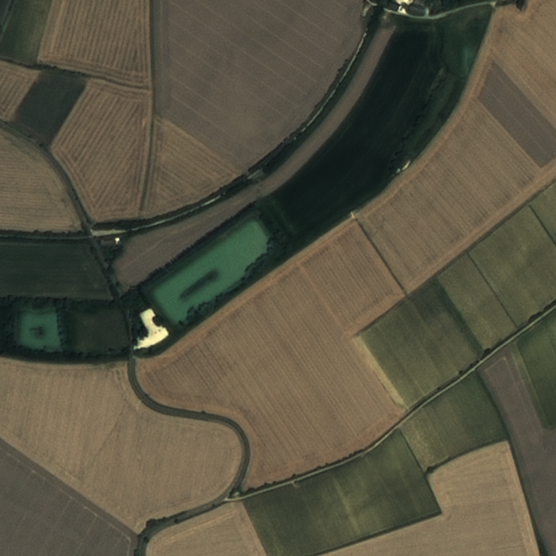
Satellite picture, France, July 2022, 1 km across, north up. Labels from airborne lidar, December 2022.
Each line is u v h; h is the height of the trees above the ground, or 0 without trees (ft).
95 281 0
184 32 0
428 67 0
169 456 0
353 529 0
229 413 0
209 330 0
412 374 0
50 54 0
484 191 0
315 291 0
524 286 0
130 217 0
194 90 0
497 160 0
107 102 0
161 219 24
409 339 0
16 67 0
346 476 0
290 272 0
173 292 0
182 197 0
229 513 0
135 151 0
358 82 0
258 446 0
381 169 0
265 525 0
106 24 0
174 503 0
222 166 0
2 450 0
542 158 0
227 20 0
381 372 0
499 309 0
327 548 0
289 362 0
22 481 0
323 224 0
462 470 0
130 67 0
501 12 0
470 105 0
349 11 0
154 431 0
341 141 0
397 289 0
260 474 0
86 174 0
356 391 0
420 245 0
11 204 0
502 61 0
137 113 0
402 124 0
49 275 0
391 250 0
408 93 0
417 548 0
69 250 0
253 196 0
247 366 0
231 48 0
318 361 0
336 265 0
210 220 0
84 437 0
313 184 0
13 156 0
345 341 0
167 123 0
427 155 0
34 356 34
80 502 0
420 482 0
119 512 0
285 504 0
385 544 0
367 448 0
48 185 0
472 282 0
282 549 0
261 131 0
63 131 0
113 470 0
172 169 0
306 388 0
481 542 0
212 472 0
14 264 0
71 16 0
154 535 0
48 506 0
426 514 0
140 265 0
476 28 0
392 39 0
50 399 0
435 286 0
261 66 0
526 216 0
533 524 0
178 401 0
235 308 0
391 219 0
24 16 0
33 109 0
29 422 0
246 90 0
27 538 0
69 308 52
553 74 0
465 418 0
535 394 0
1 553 0
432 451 0
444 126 0
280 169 0
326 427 0
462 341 0
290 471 0
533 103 0
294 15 0
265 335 0
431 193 0
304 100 0
